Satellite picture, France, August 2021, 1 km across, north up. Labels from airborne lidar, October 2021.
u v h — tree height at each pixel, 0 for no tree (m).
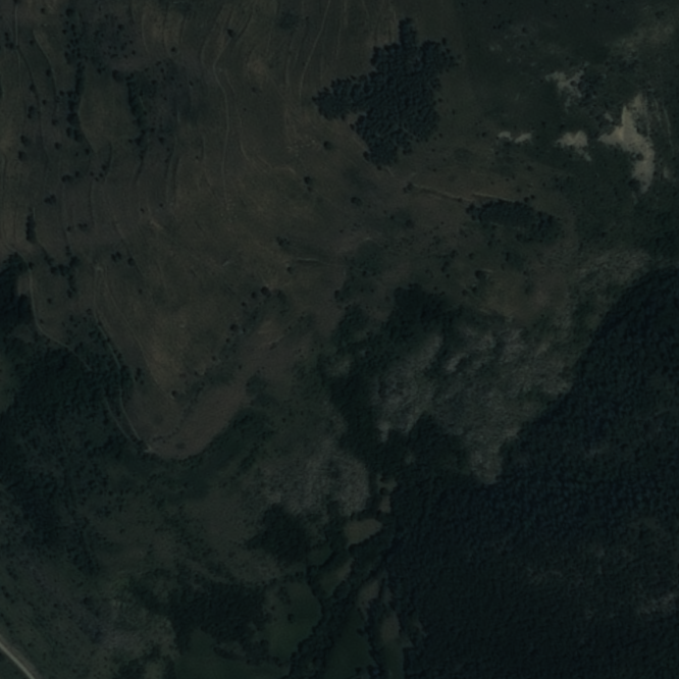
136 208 0
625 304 12
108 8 0
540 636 21
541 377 7
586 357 8
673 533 8
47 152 0
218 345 0
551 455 9
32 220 9
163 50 0
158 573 12
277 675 0
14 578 7
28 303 14
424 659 18
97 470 7
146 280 0
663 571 11
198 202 0
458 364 10
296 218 0
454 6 0
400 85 19
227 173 0
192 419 0
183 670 0
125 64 0
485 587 17
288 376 0
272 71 0
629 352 18
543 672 20
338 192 0
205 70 0
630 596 7
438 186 0
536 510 17
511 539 9
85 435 9
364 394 18
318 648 26
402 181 0
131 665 6
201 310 0
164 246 0
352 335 8
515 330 0
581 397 7
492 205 15
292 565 11
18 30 0
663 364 7
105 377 9
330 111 13
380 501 18
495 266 0
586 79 6
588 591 9
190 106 0
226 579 6
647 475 7
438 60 20
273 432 8
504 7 0
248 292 0
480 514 12
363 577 22
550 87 0
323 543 10
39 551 9
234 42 0
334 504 13
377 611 20
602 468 7
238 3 0
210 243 0
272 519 16
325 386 8
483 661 14
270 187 0
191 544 13
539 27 0
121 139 0
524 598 18
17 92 0
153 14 0
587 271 6
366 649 0
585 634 16
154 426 0
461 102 0
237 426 11
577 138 0
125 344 0
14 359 10
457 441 13
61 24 0
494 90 0
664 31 0
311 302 0
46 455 6
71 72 0
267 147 0
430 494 23
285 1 0
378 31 0
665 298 13
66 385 12
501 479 11
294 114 0
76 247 0
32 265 11
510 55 0
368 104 19
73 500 7
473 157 0
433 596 16
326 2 0
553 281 0
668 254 8
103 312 0
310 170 0
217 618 13
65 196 0
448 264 11
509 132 0
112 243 0
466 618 18
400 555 18
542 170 0
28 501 14
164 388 0
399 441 11
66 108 0
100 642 8
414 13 0
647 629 17
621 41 0
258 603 13
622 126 0
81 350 9
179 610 15
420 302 16
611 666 19
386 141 14
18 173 0
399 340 13
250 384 10
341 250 0
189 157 0
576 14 0
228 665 0
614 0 0
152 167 0
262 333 0
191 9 0
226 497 0
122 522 0
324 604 17
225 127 0
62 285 0
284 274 0
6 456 15
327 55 0
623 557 6
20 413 16
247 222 0
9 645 0
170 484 10
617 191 8
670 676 9
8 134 0
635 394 7
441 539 19
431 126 16
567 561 10
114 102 0
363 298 0
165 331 0
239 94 0
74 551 8
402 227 0
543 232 14
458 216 0
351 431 10
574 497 15
